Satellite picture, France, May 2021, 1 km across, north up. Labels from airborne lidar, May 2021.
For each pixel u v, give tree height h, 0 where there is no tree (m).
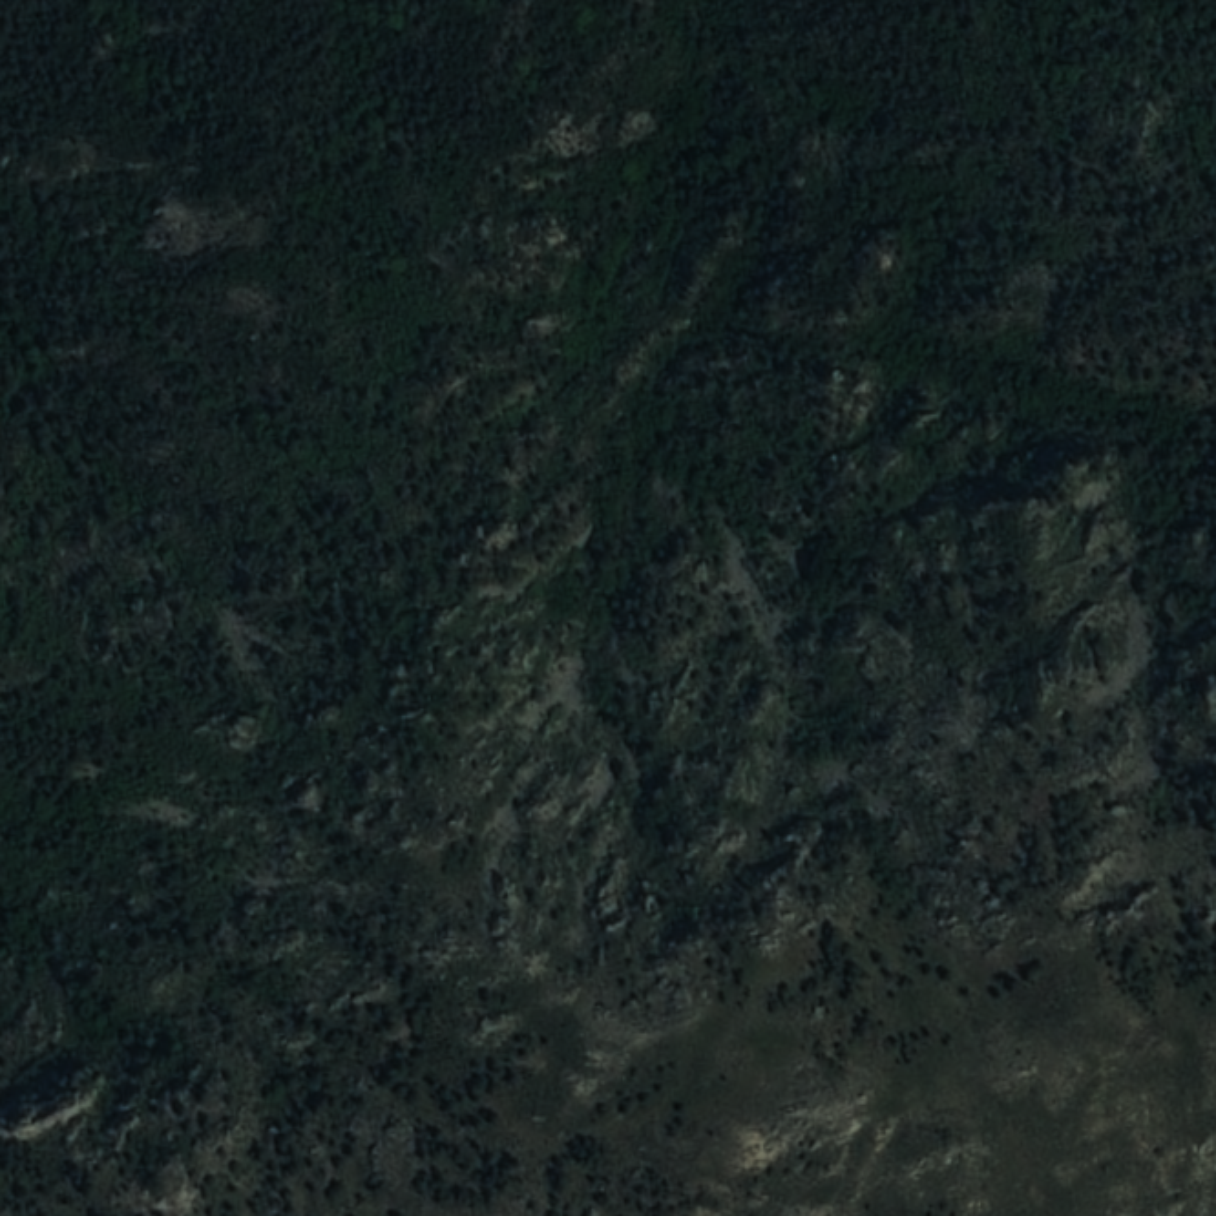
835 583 21
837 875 17
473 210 6
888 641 8
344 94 9
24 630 19
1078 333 17
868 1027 20
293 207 16
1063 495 14
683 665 7
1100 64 20
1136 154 8
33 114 10
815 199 6
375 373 5
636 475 7
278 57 20
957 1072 0
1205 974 14
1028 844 16
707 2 10
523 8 17
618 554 28
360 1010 18
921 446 15
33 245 9
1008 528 8
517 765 9
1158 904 9
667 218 15
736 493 9
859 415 13
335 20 17
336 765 7
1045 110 24
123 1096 6
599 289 19
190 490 21
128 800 8
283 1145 16
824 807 10
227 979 10
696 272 16
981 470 25
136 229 14
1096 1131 0
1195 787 16
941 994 0
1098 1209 0
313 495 15
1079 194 18
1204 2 20
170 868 6
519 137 9
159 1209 0
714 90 9
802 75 13
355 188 20
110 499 18
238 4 15
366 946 14
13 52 12
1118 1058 0
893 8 10
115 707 6
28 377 10
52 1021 7
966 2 16
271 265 6
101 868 6
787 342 13
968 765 7
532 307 10
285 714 9
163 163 18
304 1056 6
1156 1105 0
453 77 11
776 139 16
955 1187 0
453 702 15
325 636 21
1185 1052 0
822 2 9
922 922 6
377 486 8
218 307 8
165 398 14
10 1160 24
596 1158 20
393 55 13
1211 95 11
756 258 19
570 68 20
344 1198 15
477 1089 18
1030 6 18
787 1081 0
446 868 7
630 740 11
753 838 9
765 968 0
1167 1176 0
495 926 12
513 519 12
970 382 22
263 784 13
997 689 9
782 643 7
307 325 6
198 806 9
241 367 13
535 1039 12
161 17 6
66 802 20
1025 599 17
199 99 13
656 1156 0
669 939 8
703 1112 0
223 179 14
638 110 12
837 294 10
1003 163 8
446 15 17
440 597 6
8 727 13
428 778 6
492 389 25
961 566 10
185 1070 6
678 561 17
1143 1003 10
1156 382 22
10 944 16
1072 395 27
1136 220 19
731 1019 0
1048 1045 0
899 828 7
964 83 13
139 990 6
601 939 8
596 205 8
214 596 8
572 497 16
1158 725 14
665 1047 0
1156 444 17
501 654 6
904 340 18
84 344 19
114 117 12
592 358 10
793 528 6
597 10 17
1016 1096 0
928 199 17
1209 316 18
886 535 6
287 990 8
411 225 20
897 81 14
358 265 8
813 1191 0
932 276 8
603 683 19
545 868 7
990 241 9
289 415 22
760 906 8
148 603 10
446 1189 14
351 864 15
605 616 21
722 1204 10
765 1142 0
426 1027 9
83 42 6
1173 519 9
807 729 11
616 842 7
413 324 6
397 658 7
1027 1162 0
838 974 19
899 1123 0
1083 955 0
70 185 13
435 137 15
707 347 9
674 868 9
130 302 17
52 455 25
